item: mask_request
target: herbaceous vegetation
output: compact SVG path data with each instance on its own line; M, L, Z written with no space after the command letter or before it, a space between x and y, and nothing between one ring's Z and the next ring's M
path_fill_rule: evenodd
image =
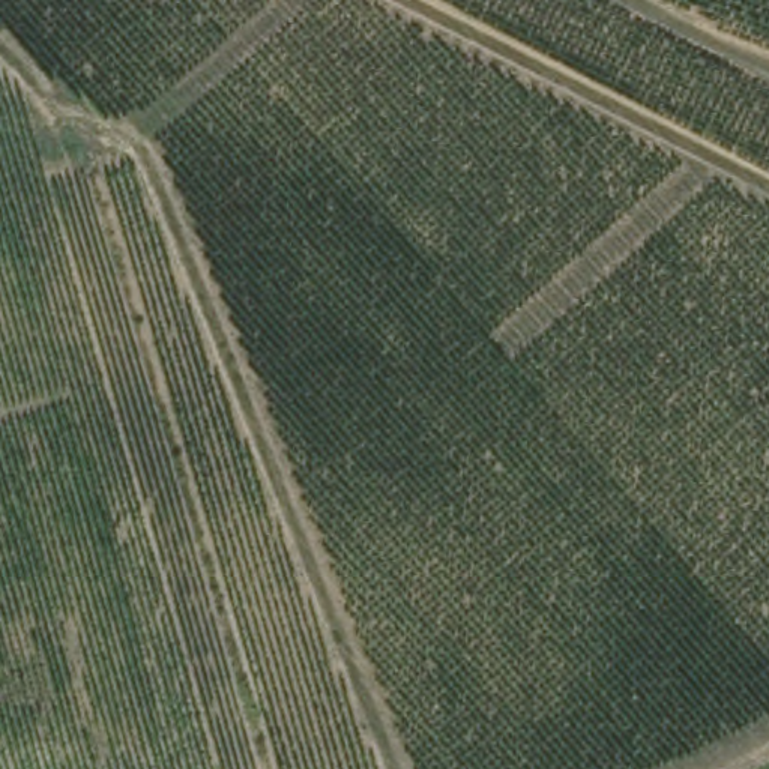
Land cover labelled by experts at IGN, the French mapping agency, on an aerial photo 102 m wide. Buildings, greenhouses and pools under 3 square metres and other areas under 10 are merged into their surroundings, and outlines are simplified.
M291 475L285 445L276 436L276 424L267 412L264 388L246 360L237 327L231 324L222 291L204 258L204 246L186 213L183 195L174 186L171 168L165 165L162 147L150 135L138 132L126 117L102 117L87 99L75 102L60 81L51 81L39 69L39 63L21 48L21 42L9 30L0 27L0 75L9 78L9 84L18 87L24 102L30 105L30 126L45 120L51 135L60 135L63 126L72 126L78 132L78 138L87 144L87 153L75 159L81 168L96 165L96 177L105 177L108 165L117 165L126 156L132 159L144 192L144 207L162 231L180 297L186 297L192 306L210 369L219 375L234 415L234 427L252 454L267 511L282 529L282 541L291 556L300 595L309 598L315 610L327 649L327 664L333 673L345 673L345 661L336 643L345 640L351 646L354 664L372 697L378 721L391 739L391 748L381 751L388 769L415 769L397 730L394 712L388 709L388 694L375 679L375 667L363 655L363 646L354 634L354 619L345 613L339 580L330 571L330 556L321 547L321 532L315 529L312 511L303 502L300 487Z
M760 78L769 84L769 45L757 39L742 39L736 36L736 27L724 30L715 21L709 21L697 6L679 6L673 0L616 0L628 9L631 18L673 30L679 39L739 66L748 78Z
M670 760L658 769L769 769L769 715L748 724L745 730L736 730L724 742L712 742L697 754Z
M712 180L718 177L742 195L769 201L769 168L742 156L733 147L724 147L721 141L703 132L694 132L691 126L661 111L634 102L631 96L571 69L568 63L502 33L499 27L445 0L375 0L388 12L397 12L406 21L418 21L424 27L424 39L442 36L445 42L463 51L481 54L481 60L499 63L523 84L547 90L571 102L574 108L586 108L592 117L625 126L634 141L643 141L652 150L658 147L664 156L691 159Z

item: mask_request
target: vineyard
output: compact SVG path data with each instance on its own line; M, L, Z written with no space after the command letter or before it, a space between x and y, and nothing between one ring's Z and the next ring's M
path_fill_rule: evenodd
M394 712L397 730L415 769L658 769L670 760L697 754L712 742L724 742L736 730L745 730L748 724L769 715L769 201L742 195L718 177L712 180L691 159L664 156L658 147L652 150L643 141L634 141L625 126L592 117L586 108L574 108L571 102L547 90L523 84L499 63L481 60L481 54L463 51L445 42L442 36L424 39L424 27L418 21L406 21L397 12L388 12L375 0L0 0L0 27L9 30L21 42L21 48L39 63L39 69L51 81L60 81L75 102L87 99L102 117L126 117L138 132L150 135L162 147L165 165L171 168L174 186L183 195L186 213L204 246L204 258L222 291L231 324L237 327L246 360L264 388L267 412L276 424L276 436L285 445L291 475L300 487L303 502L312 511L315 529L321 532L321 547L330 556L330 571L339 580L345 613L354 619L354 634L363 646L363 655L375 667L375 679L388 694L388 709Z
M634 102L661 111L691 126L694 132L703 132L721 141L724 147L733 147L742 156L769 168L769 84L760 78L748 78L739 66L679 39L673 30L631 18L628 9L616 0L445 0L499 27L502 33L568 63L571 69L631 96Z
M715 21L724 30L736 27L736 36L742 39L757 39L769 45L769 0L673 0L679 6L697 6L709 21Z
M96 165L81 168L75 159L87 153L87 144L78 138L78 132L72 126L63 126L60 135L51 135L45 120L30 126L30 105L24 102L18 87L9 84L9 78L0 75L0 769L388 769L381 751L391 748L391 739L378 721L372 697L354 664L351 646L345 640L336 643L345 661L345 673L333 673L327 664L327 649L315 610L309 598L300 595L291 556L282 541L282 529L267 511L252 454L234 427L234 415L219 375L210 369L192 306L186 297L180 297L162 231L144 207L144 192L132 159L126 156L117 165L108 165L105 177L96 177Z

